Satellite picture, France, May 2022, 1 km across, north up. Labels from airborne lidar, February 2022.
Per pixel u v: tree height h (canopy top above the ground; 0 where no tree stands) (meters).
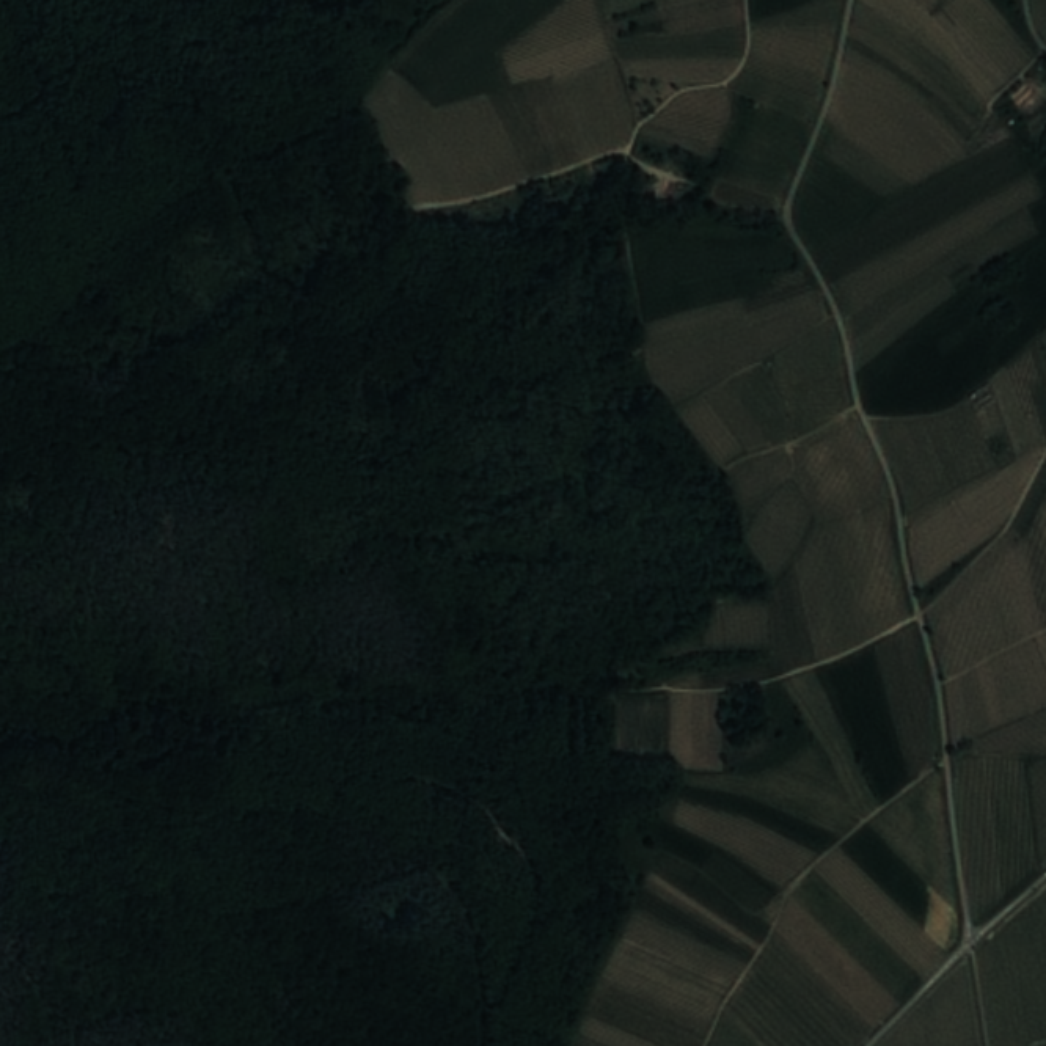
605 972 0
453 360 23
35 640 24
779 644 0
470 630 29
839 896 0
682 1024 0
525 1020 0
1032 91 0
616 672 21
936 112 0
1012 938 0
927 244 0
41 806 24
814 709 0
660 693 0
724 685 0
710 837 0
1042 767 0
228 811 23
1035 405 0
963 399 0
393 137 0
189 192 23
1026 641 0
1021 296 0
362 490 15
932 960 0
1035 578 0
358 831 23
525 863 0
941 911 0
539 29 0
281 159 25
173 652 20
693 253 0
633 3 0
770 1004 0
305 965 28
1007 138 0
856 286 0
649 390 9
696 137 0
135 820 25
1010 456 0
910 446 0
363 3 14
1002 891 0
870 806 0
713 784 0
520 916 0
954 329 0
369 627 22
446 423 23
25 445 25
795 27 0
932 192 0
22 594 20
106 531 18
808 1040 0
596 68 0
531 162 0
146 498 19
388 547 23
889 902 0
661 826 0
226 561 17
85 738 28
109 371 24
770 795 0
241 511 19
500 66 0
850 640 0
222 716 24
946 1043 0
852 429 0
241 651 21
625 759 17
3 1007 25
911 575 0
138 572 16
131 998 24
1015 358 0
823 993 0
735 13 0
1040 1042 0
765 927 0
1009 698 0
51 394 26
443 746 0
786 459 0
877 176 0
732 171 0
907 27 0
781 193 0
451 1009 27
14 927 16
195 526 19
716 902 0
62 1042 23
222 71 23
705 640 0
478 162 0
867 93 0
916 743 0
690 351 0
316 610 22
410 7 0
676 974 0
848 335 0
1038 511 0
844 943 0
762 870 0
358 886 26
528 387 20
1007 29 0
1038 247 0
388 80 0
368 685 17
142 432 26
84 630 16
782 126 0
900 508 0
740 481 0
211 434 25
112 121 19
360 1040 29
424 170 0
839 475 0
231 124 23
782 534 0
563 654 21
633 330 24
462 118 0
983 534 0
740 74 0
